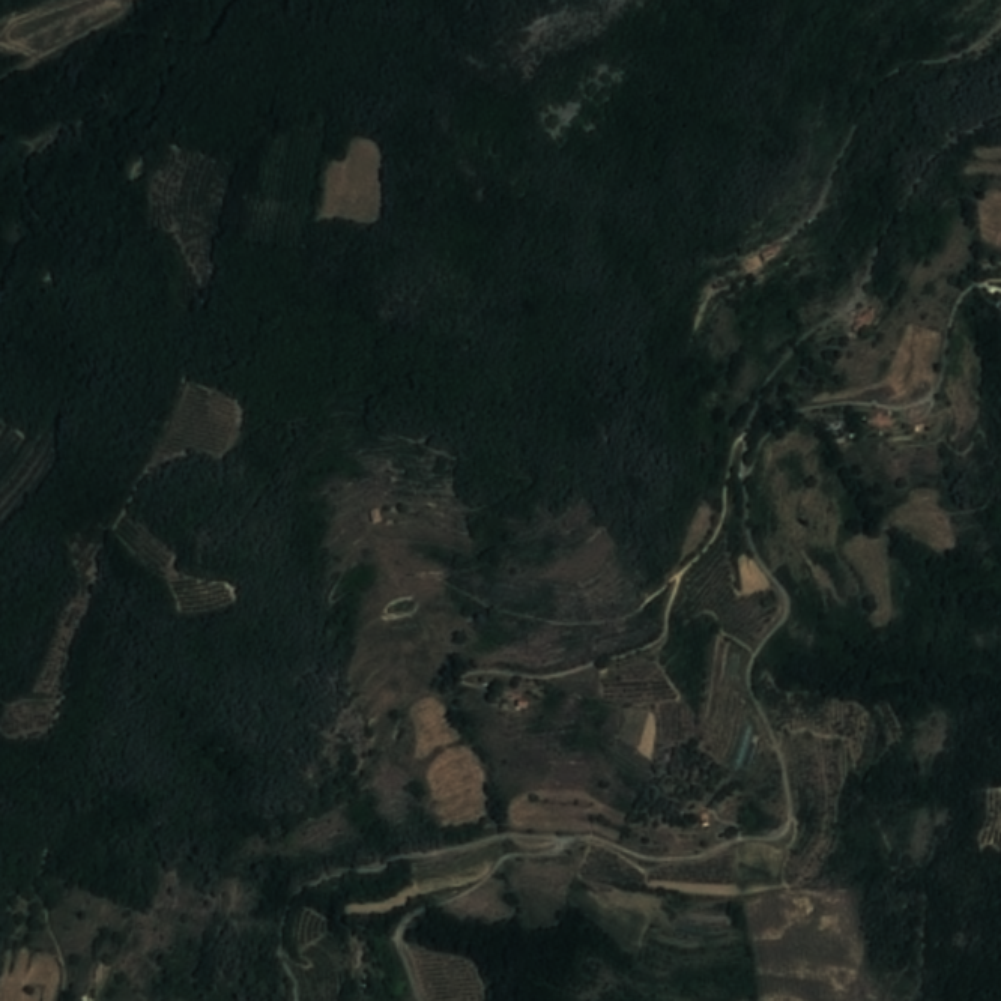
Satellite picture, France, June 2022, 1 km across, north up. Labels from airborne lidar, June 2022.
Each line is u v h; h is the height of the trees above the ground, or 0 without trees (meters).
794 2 9
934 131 14
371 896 12
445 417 20
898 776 11
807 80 8
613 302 20
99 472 14
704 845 6
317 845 0
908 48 12
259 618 11
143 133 14
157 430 14
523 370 17
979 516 7
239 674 15
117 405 19
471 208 14
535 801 8
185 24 13
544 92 12
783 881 0
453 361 14
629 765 0
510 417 13
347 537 0
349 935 8
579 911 9
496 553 14
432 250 14
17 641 8
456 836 11
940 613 10
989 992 17
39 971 0
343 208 0
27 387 17
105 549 8
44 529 13
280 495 20
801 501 0
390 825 9
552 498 12
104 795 19
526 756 0
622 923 0
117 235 13
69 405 19
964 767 12
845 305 0
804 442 0
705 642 6
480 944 14
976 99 18
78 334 16
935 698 14
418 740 0
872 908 13
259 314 11
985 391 12
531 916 0
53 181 12
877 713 9
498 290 15
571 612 0
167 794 16
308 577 13
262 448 15
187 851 23
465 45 7
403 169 15
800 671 13
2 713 6
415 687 0
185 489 9
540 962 10
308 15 10
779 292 8
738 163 16
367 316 17
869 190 7
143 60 14
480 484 18
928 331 0
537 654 0
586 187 20
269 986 17
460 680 21
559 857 0
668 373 13
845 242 9
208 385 14
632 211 19
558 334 20
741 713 0
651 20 12
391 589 0
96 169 11
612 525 10
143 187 13
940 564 18
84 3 0
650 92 18
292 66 15
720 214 19
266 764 12
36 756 9
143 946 0
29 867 15
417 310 11
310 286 12
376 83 11
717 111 17
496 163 14
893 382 0
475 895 0
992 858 9
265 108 14
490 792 18
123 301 17
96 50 13
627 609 0
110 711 17
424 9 8
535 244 18
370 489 0
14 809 10
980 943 12
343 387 22
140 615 18
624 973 6
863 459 0
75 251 17
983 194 24
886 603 0
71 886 12
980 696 20
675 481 11
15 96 18
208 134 18
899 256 20
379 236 13
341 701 14
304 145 6
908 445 0
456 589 0
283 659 19
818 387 5
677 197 17
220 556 7
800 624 0
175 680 22
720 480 14
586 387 18
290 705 12
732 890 0
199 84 18
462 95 11
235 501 12
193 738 15
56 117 18
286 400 11
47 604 9
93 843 7
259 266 17
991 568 14
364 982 6
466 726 19
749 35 19
